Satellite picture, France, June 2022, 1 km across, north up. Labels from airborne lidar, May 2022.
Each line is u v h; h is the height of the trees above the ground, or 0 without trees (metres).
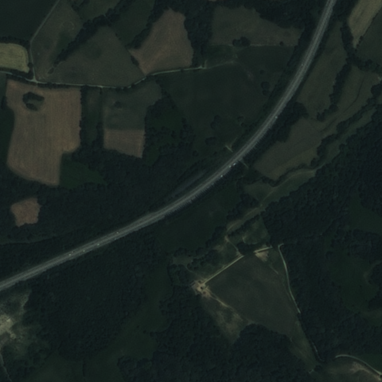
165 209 0
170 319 7
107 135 0
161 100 14
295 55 13
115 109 0
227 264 0
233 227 0
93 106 0
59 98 0
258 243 0
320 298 19
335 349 16
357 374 0
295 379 13
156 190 24
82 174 0
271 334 20
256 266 0
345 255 0
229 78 0
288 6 23
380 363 0
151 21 10
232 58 0
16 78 12
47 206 19
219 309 0
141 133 0
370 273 0
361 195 14
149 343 0
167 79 0
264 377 24
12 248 16
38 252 12
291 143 0
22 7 0
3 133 0
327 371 0
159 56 0
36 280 15
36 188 23
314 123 0
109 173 27
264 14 17
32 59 0
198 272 0
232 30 0
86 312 7
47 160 0
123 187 28
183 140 15
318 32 0
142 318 0
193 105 0
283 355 25
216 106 0
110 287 7
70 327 12
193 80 0
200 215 0
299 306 14
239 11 0
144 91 0
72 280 11
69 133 0
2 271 9
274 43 0
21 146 0
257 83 0
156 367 27
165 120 0
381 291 12
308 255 21
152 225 12
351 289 0
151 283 0
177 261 0
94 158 31
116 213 26
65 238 8
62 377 0
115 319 9
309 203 17
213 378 19
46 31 0
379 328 12
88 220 25
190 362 19
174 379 25
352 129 0
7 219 22
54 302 13
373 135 17
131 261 7
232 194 0
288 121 16
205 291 0
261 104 0
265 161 0
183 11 14
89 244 0
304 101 0
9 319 0
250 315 0
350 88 0
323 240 18
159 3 17
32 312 8
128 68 0
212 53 0
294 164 0
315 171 0
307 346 0
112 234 0
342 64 0
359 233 21
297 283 20
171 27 0
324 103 0
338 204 20
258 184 0
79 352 15
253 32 0
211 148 0
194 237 0
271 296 0
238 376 26
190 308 19
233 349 15
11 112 0
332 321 19
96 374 0
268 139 10
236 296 0
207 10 27
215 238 24
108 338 12
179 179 12
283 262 0
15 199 18
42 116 0
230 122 0
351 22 0
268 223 17
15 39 16
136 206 25
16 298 0
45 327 14
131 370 26
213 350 18
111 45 0
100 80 0
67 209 23
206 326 22
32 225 16
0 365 10
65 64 0
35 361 10
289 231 19
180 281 8
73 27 0
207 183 0
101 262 6
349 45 19
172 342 15
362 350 7
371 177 25
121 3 12
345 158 8
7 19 0
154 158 0
